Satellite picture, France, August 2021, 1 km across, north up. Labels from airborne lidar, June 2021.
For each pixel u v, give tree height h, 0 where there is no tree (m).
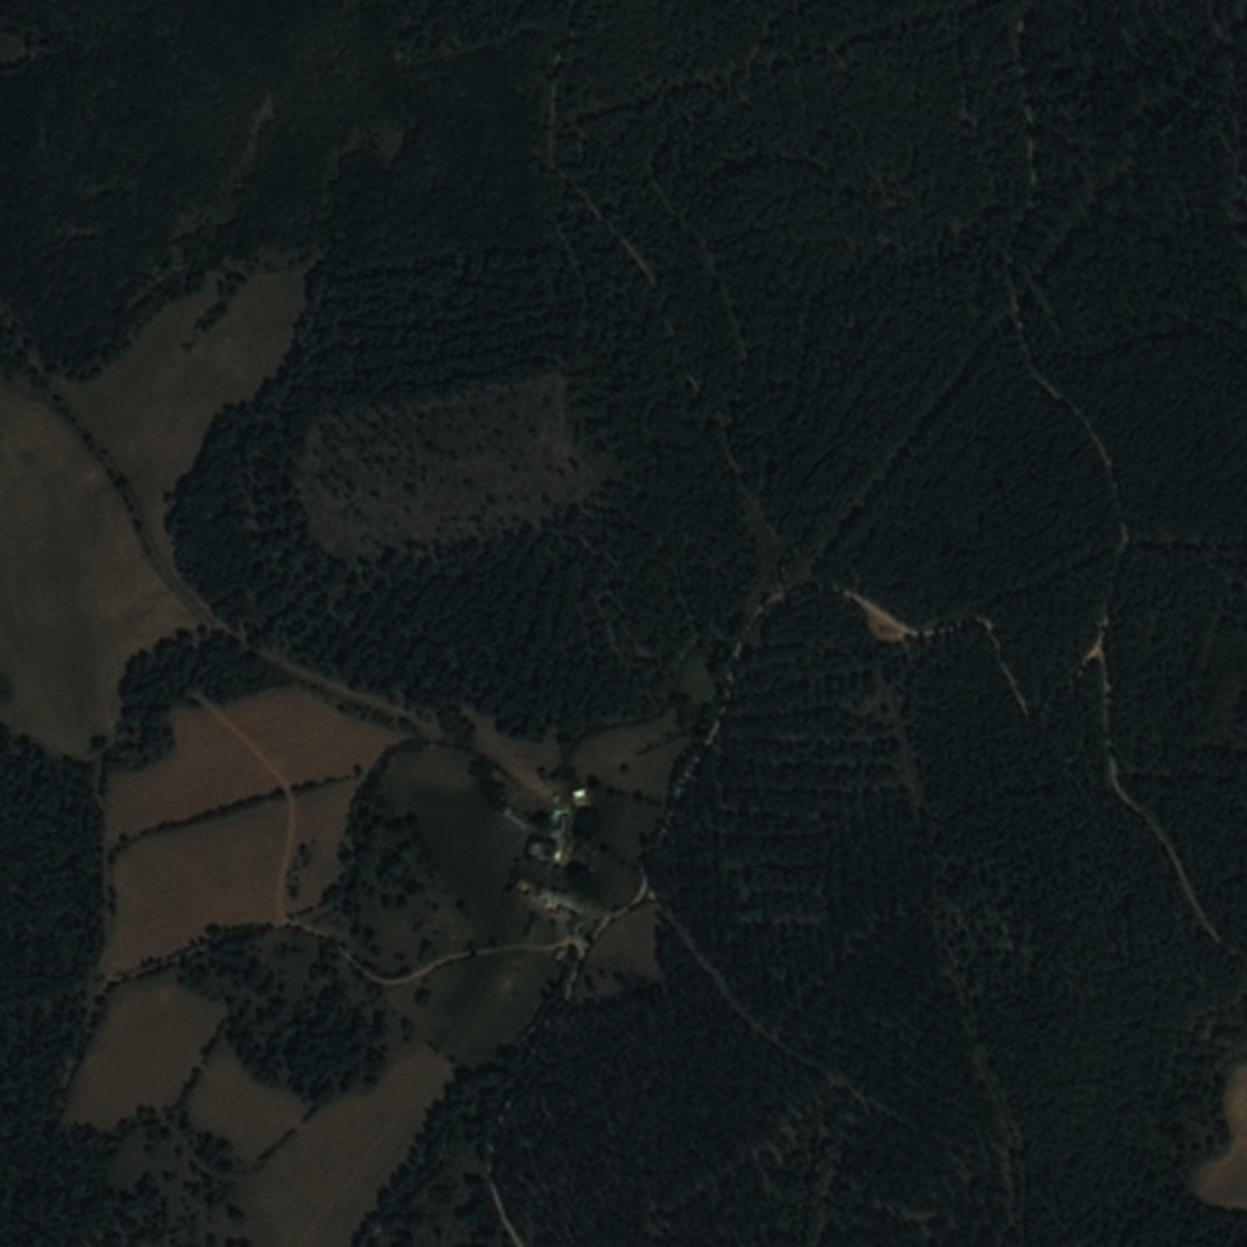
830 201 14
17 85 9
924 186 11
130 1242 8
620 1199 15
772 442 17
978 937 9
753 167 13
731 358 17
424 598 17
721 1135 14
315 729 0
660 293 12
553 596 16
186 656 11
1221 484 17
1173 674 12
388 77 9
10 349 10
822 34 11
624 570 13
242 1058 10
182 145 8
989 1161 10
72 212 7
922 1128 14
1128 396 15
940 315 14
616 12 9
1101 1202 18
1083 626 12
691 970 16
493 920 0
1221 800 18
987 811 15
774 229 14
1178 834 15
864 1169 16
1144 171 20
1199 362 21
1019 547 15
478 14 13
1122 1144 17
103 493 0
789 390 15
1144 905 18
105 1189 10
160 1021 0
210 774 0
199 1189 6
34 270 7
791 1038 14
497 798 6
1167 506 16
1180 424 16
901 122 11
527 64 7
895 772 8
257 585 12
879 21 12
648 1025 14
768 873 12
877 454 13
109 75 6
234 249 9
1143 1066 15
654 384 20
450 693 13
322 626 12
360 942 7
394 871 14
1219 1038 14
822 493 15
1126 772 16
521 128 7
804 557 13
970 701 15
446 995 0
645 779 0
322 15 7
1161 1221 17
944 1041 15
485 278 13
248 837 0
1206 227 17
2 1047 14
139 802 0
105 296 9
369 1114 0
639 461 14
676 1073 15
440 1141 16
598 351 13
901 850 12
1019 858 15
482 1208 13
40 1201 21
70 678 0
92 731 0
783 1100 14
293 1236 0
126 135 8
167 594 0
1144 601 13
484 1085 11
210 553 16
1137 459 15
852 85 13
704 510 14
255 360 0
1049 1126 13
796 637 12
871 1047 15
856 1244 14
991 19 17
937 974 16
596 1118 14
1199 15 14
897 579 14
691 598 17
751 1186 15
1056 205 21
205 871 0
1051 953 14
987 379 19
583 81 10
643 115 17
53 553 0
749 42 12
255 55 8
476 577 15
